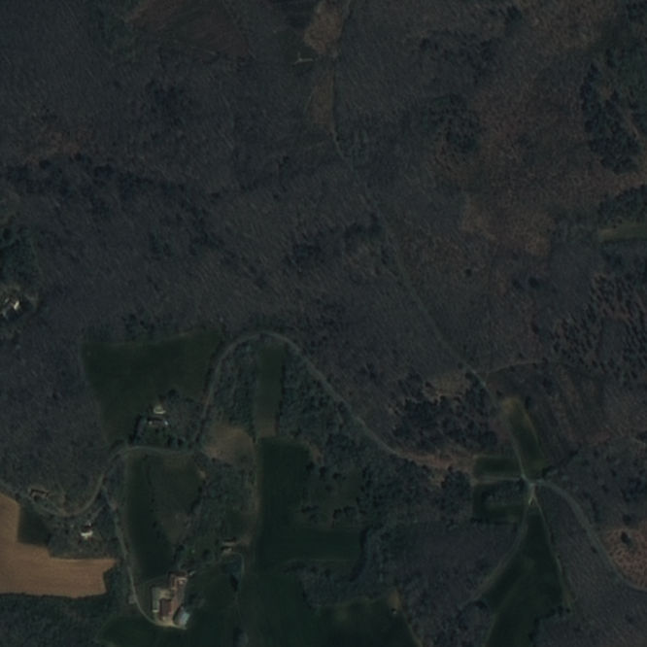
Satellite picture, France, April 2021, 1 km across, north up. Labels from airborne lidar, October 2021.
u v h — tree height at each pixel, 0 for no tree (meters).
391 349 17
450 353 11
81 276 20
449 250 7
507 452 12
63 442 17
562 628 13
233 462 0
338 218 14
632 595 14
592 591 13
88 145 6
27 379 16
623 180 6
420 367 14
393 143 16
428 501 23
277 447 0
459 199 18
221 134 22
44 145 7
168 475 0
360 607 0
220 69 10
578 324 19
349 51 20
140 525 0
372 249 16
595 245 13
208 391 15
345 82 17
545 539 0
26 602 10
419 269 8
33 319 12
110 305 16
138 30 8
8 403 15
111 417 0
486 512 0
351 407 16
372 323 12
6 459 13
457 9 12
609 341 13
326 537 0
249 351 17
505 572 0
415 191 18
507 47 13
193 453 14
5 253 0
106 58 11
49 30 12
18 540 0
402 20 12
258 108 13
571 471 16
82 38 13
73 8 13
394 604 0
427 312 7
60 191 14
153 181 9
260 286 19
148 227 17
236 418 9
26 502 11
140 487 0
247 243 17
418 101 17
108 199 17
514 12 16
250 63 7
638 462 8
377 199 13
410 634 0
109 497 12
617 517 14
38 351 14
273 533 0
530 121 6
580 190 9
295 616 0
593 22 7
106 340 13
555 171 8
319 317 12
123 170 8
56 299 15
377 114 18
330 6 8
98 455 14
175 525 0
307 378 8
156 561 0
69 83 13
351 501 0
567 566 12
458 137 9
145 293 11
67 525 11
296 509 0
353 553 0
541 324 11
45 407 12
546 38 7
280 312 16
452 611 16
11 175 18
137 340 15
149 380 0
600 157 27
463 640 7
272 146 8
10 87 12
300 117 7
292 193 17
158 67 8
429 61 9
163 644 0
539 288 10
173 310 12
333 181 17
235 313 18
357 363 14
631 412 11
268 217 13
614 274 17
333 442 21
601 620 12
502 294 8
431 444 15
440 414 12
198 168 14
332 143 9
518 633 0
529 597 0
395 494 18
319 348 11
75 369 16
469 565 13
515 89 11
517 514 0
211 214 15
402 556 18
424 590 20
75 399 17
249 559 0
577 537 16
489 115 7
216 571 0
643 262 15
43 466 17
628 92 16
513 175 7
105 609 11
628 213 25
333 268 17
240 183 13
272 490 0
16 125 11
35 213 17
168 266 16
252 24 10
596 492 13
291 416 19
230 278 16
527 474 0
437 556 11
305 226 11
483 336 8
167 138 11
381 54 17
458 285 9
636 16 20
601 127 28
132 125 9
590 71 6
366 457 21
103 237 18
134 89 11
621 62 16
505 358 8
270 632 0
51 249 17
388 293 14
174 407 19
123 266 19
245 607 0
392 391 13
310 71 10
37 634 17
